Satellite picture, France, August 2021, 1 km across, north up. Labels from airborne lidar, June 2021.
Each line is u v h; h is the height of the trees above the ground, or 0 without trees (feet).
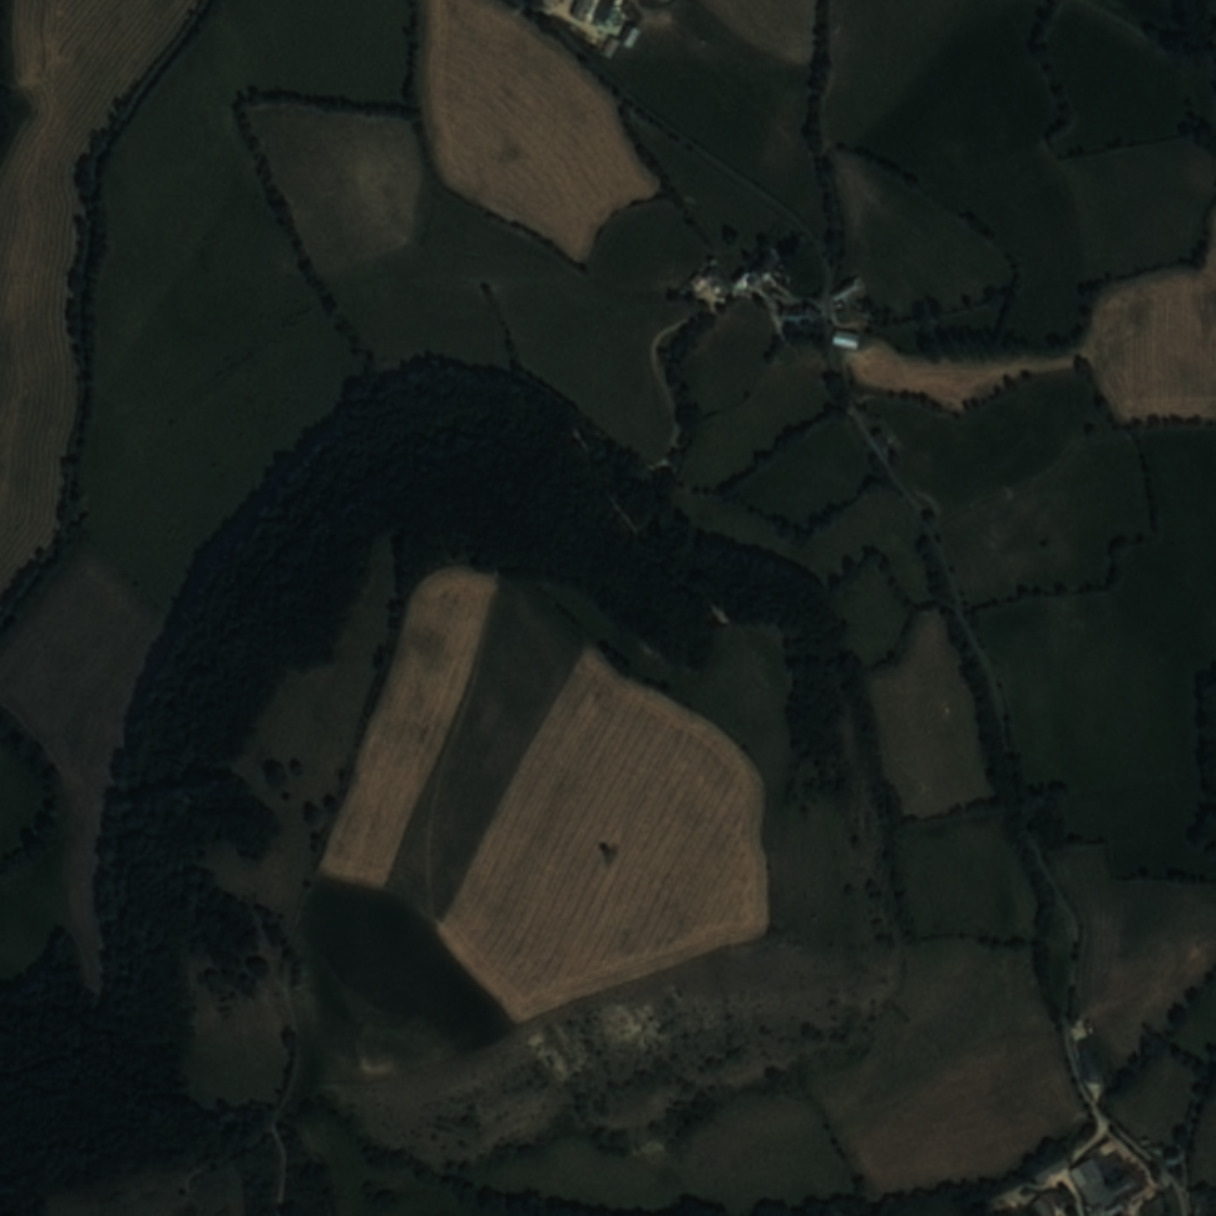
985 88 0
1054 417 0
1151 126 0
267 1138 17
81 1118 63
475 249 0
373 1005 0
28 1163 56
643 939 0
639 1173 0
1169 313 0
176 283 0
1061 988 0
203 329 0
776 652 0
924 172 0
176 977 41
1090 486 0
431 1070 0
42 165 0
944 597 40
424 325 0
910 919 21
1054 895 37
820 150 22
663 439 0
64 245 0
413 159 0
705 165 0
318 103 35
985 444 0
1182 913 0
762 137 0
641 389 0
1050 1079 0
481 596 0
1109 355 0
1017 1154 0
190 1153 19
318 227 0
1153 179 0
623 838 0
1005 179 0
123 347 0
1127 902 0
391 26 0
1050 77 34
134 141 0
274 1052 0
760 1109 0
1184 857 0
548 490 69
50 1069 55
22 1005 53
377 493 63
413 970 0
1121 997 0
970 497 0
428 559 51
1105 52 0
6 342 0
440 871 0
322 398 0
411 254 0
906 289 0
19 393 0
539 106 0
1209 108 0
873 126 0
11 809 0
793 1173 0
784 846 0
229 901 39
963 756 0
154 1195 0
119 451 0
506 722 0
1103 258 0
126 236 0
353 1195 0
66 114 0
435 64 0
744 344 0
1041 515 0
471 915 0
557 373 0
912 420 0
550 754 0
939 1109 0
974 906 0
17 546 0
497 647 0
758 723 0
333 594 73
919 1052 0
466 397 54
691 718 0
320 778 0
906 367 0
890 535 0
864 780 0
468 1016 0
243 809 55
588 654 0
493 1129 0
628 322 0
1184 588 0
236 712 58
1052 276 0
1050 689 0
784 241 0
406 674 0
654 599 76
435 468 73
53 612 0
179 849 37
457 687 0
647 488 76
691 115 0
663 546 70
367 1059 0
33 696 0
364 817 0
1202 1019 0
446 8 0
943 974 0
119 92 0
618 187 0
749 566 69
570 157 0
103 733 0
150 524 0
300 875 0
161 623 0
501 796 0
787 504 0
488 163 0
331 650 59
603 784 0
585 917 0
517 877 0
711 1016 0
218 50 0
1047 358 0
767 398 0
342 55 0
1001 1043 0
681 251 0
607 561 66
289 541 64
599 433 27
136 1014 56
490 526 66
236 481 0
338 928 0
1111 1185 30
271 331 0
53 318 0
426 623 0
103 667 0
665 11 0
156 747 54
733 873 0
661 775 0
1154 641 0
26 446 0
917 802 0
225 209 0
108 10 0
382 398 52
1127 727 0
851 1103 0
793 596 69
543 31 24
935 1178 0
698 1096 23
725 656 0
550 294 0
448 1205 0
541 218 0
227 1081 0
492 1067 0
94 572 0
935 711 0
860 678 36
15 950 0
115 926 44
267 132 0
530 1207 58
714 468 0
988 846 0
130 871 48
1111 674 0
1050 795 34
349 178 0
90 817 0
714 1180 0
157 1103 74
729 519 0
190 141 0
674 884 0
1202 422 28
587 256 0
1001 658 0
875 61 0
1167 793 0
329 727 0
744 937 0
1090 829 0
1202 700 49
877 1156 0
